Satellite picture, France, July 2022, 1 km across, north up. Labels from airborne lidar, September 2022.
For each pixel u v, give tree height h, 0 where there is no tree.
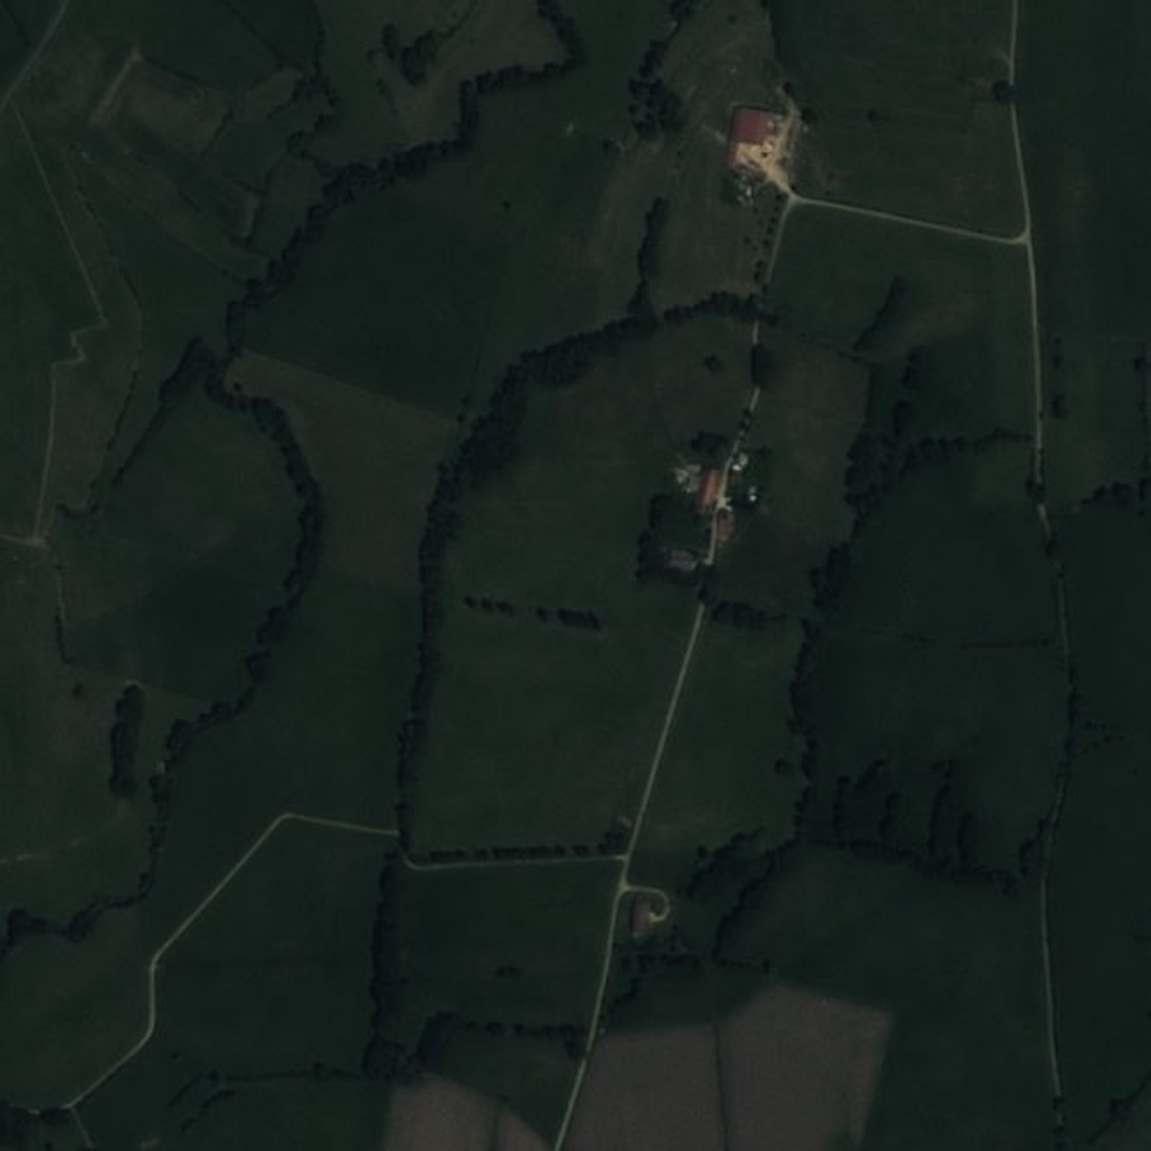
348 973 0
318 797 0
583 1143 0
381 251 0
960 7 0
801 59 0
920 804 0
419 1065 18
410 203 0
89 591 0
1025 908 0
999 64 0
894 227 0
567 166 0
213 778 0
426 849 0
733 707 0
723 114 0
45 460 0
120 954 0
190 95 0
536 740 0
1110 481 0
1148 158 0
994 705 0
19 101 0
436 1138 0
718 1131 0
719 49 0
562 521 0
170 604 0
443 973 0
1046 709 0
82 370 0
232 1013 0
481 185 0
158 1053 0
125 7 0
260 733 0
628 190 0
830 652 0
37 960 0
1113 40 0
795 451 0
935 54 0
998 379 0
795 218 0
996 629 0
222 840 0
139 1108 0
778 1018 0
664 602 0
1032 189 0
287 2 0
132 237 0
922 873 15
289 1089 0
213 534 0
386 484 0
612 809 0
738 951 0
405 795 8
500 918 0
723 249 0
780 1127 0
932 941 0
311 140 13
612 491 0
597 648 0
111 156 0
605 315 0
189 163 0
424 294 0
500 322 0
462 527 14
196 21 0
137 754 5
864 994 0
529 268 0
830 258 0
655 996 0
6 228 0
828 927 0
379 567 0
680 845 0
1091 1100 0
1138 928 0
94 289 0
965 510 0
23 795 0
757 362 14
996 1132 0
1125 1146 0
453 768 0
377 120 0
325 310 0
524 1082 0
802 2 0
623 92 0
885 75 0
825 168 0
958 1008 0
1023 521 0
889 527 0
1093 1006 0
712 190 0
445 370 0
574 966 0
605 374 0
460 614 0
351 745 0
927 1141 0
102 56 0
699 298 0
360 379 0
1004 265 0
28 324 0
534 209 0
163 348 0
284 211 0
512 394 23
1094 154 0
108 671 0
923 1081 0
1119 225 0
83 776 0
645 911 0
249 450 0
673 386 0
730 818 0
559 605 0
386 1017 18
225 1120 0
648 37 0
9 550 0
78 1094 0
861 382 0
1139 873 0
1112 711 0
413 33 0
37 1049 0
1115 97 0
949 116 0
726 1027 0
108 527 0
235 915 0
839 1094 0
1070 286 0
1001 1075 0
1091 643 0
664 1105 0
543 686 0
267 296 13
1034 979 0
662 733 0
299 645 0
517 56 0
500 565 0
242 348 10
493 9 0
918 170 0
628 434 0
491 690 0
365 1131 0
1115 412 0
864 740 0
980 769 0
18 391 0
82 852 0
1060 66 0
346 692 0
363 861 0
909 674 0
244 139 0
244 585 0
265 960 0
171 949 0
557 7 35
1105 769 0
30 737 0
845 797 12
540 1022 0
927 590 0
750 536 0
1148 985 0
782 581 0
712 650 0
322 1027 0
